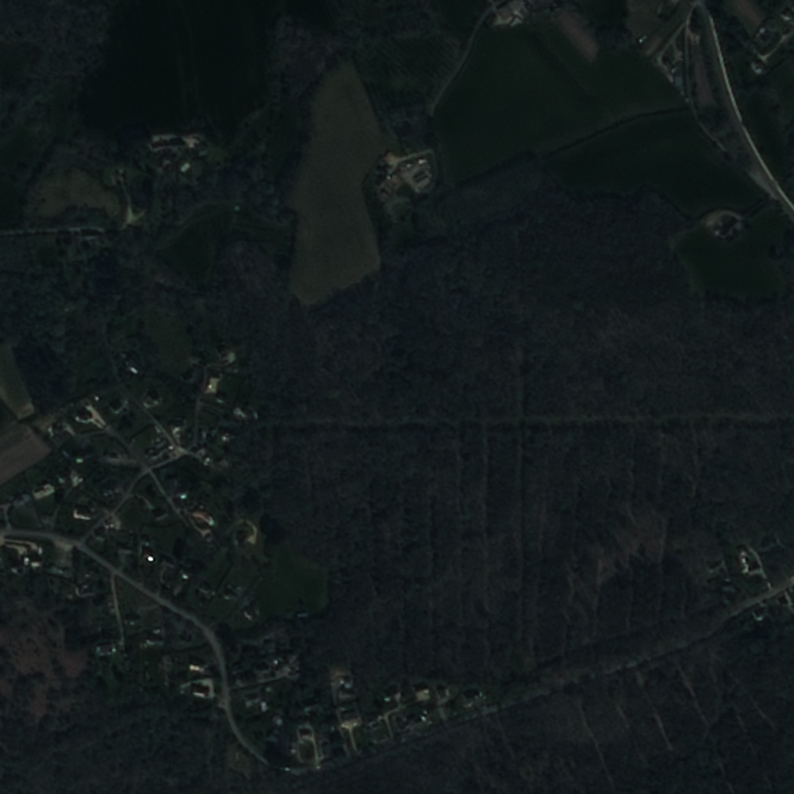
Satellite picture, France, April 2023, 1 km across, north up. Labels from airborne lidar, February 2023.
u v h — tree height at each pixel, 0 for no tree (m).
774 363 16
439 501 10
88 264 7
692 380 12
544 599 16
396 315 22
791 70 0
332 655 18
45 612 8
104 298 20
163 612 7
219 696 10
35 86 11
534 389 8
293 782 11
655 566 10
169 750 12
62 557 0
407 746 13
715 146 7
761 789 15
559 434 13
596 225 14
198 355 10
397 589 15
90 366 0
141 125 0
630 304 16
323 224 0
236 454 11
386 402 15
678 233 18
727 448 15
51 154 12
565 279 16
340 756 12
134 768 17
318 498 16
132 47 0
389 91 0
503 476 16
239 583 0
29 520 0
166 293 10
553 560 14
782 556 15
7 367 0
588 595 8
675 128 0
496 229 18
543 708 13
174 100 0
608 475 14
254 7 0
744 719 17
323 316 19
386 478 16
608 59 0
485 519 12
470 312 22
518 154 0
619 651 18
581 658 15
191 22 0
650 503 21
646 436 12
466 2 0
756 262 0
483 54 0
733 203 0
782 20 0
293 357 20
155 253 14
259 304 19
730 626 9
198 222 0
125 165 11
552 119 0
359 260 0
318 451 15
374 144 0
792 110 0
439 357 22
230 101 0
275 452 11
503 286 19
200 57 0
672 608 17
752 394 11
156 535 0
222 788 11
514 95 0
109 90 0
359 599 16
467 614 10
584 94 0
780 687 15
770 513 15
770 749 16
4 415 0
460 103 0
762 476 16
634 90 0
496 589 11
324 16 0
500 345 22
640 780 15
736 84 10
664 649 14
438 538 16
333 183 0
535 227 18
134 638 7
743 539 16
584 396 15
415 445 18
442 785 15
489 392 18
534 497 8
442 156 0
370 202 0
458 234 11
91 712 8
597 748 16
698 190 0
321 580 0
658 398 15
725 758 16
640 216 13
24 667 0
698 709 14
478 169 0
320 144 0
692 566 14
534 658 16
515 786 18
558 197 17
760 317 18
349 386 14
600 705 13
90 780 13
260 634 11
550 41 0
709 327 15
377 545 18
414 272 23
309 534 15
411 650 18
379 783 18
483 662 19
